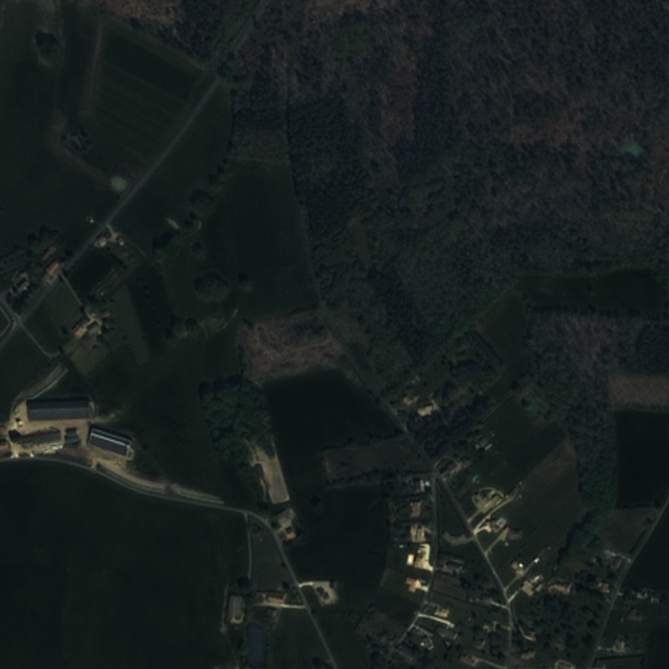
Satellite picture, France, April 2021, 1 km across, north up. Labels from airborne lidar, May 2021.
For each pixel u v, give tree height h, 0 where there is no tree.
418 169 27
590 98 15
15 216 0
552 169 16
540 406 10
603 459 17
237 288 0
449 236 19
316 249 7
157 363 0
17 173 0
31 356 0
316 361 0
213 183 14
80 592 0
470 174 23
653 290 0
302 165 21
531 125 12
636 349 15
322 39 17
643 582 0
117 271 0
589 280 0
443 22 23
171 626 0
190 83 0
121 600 0
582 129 9
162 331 0
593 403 16
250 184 0
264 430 21
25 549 0
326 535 0
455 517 0
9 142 0
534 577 0
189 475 0
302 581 0
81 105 0
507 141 13
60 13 0
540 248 16
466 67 10
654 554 0
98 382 0
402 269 18
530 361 0
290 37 15
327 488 6
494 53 10
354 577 0
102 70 0
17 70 0
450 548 0
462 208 18
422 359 19
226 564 0
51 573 0
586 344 14
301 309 0
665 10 27
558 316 14
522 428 0
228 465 0
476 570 0
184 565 0
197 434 0
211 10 25
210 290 22
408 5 23
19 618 0
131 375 0
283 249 0
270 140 19
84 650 0
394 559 0
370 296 11
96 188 0
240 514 0
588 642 11
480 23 22
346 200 20
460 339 15
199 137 0
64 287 0
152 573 0
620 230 10
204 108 0
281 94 12
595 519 17
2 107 0
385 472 6
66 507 0
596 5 18
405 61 18
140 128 0
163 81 0
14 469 0
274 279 0
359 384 0
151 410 0
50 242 12
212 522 0
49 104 0
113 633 0
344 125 21
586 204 17
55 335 0
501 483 0
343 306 14
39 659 0
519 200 6
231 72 17
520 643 9
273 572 0
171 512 0
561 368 18
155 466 0
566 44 24
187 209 0
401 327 16
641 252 14
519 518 0
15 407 0
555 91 13
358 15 7
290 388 0
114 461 0
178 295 0
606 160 21
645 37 14
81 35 0
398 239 17
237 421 20
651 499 0
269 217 0
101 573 0
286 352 0
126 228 0
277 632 0
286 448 0
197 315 0
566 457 0
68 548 0
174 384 0
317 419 0
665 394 22
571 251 22
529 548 0
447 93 25
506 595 0
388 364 11
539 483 0
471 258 15
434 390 0
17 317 0
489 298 22
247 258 0
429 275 18
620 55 19
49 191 0
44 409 0
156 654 0
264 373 0
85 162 0
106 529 0
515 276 14
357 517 0
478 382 19
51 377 0
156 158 0
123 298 0
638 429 0
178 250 15
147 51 0
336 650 0
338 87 14
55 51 21
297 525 0
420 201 14
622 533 0
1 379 0
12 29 0
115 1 0
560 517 0
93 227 0
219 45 12
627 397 22
